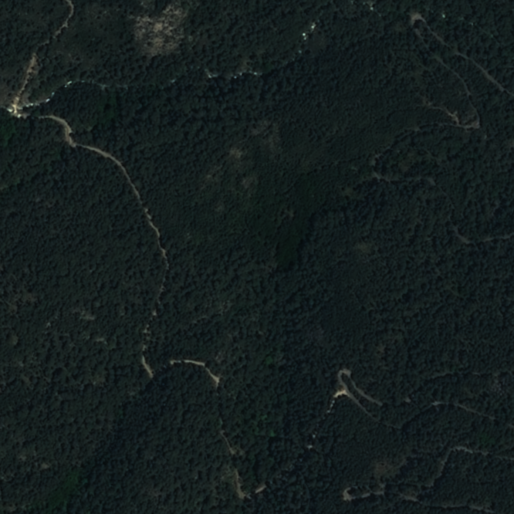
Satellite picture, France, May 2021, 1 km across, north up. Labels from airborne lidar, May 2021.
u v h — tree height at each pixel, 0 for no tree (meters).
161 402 23
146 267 18
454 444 12
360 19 28
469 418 30
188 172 21
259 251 19
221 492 28
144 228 23
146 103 31
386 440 33
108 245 31
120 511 21
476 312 32
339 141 11
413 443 30
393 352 37
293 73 21
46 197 30
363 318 22
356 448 28
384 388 31
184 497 19
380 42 22
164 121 35
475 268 36
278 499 26
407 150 37
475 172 32
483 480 19
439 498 28
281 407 31
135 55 34
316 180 18
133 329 17
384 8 12
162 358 25
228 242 8
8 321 32
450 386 24
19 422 27
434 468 27
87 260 22
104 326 16
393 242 25
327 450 29
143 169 27
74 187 30
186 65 15
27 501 27
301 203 15
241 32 20
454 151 30
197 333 27
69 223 11
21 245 22
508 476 22
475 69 20
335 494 23
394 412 31
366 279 25
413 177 20
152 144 29
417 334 18
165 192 21
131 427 23
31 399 16
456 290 8
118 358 31
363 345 19
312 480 30
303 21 27
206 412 29
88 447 26
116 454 25
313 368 25
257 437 27
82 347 26
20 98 7
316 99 23
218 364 20
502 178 26
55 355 34
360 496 18
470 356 30
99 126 21
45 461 24
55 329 13
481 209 27
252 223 17
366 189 20
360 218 26
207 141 19
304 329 23
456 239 30
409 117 13
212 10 12
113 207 28
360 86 17
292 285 37
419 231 27
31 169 26
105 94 30
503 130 16
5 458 14
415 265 25
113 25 12
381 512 20
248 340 36
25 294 23
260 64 16
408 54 24
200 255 21
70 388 13
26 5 22
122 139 32
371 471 29
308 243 30
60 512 27
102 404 30
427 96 10
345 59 21
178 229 9
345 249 24
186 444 30
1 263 25
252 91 33
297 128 12
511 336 28
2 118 31
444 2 28
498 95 31
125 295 20
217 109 32
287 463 32
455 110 10
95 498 31
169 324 25
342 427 19
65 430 31
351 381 14
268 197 18
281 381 32
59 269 27
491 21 29
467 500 20
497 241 18
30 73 10
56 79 33
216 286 26
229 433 28
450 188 17
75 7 9
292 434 35
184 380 24
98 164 27
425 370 25
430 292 26
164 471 26
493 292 28
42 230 25
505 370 29
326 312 16
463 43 33
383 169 16
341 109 23
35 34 23
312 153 6
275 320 33
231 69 18
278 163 12
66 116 28
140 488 19
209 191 7
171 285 31
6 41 7
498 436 26
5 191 12
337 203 13
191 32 26
